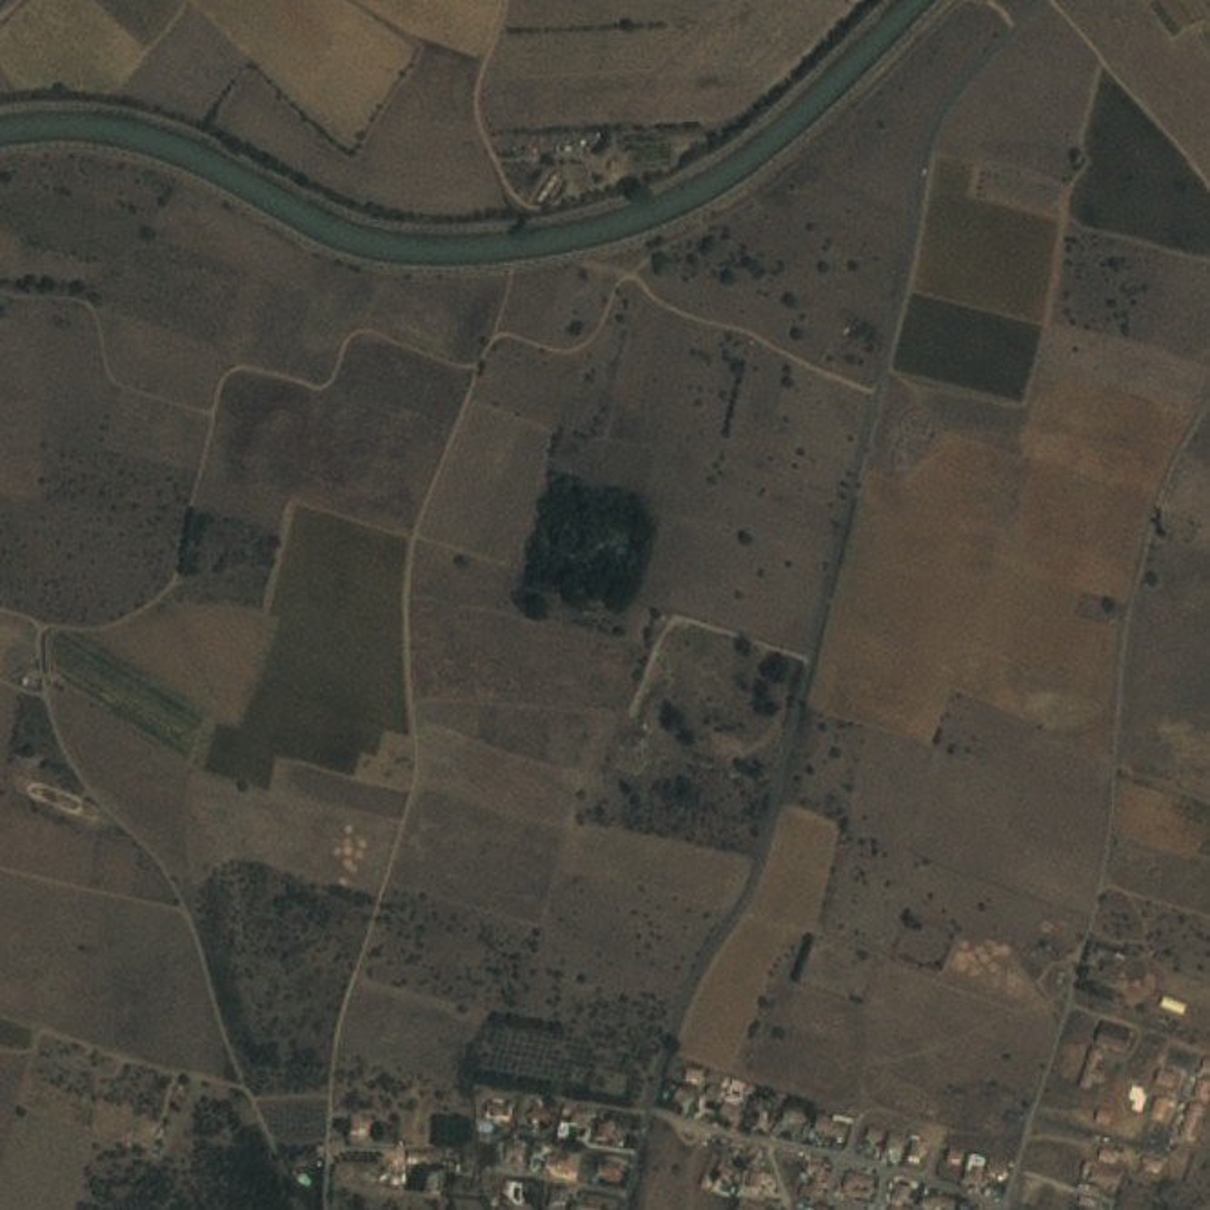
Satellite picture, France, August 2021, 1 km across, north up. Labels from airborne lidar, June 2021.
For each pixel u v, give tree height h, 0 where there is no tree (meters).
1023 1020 0
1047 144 0
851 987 0
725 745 0
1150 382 0
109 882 0
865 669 0
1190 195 0
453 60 0
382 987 0
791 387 8
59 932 0
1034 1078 0
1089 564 0
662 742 0
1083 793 0
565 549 16
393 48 0
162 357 0
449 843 0
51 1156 0
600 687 0
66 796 0
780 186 0
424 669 0
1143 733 0
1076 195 0
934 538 0
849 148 0
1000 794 0
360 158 0
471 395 0
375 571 0
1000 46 0
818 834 0
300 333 0
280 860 0
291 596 0
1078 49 0
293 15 0
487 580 0
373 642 0
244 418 0
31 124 0
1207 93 0
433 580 0
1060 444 0
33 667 0
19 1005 0
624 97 0
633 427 0
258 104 0
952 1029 0
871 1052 0
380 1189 0
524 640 0
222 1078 0
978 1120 0
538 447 0
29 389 0
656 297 0
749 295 0
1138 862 0
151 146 0
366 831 0
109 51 0
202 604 0
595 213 0
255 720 0
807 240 0
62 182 0
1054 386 0
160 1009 0
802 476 0
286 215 0
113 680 0
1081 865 0
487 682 0
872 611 0
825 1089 0
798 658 0
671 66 0
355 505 0
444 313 0
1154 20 0
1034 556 0
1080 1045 0
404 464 0
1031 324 0
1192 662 0
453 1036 0
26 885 0
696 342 0
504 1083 10
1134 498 0
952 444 0
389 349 0
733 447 0
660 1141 0
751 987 0
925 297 0
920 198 0
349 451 0
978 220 0
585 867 0
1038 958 0
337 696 0
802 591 0
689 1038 0
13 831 0
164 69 0
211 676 0
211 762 0
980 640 0
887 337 0
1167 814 0
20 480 0
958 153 0
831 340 0
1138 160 0
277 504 0
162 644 0
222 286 0
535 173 0
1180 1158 0
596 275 0
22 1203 0
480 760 0
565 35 0
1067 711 0
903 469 0
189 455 0
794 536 0
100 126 0
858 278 0
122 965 0
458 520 0
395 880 0
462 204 0
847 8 0
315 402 0
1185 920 6
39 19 0
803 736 0
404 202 0
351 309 0
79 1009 0
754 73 0
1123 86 0
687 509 0
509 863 0
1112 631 0
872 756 0
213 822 0
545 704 0
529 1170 0
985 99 0
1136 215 0
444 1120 8
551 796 0
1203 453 0
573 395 0
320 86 0
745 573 0
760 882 0
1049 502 0
